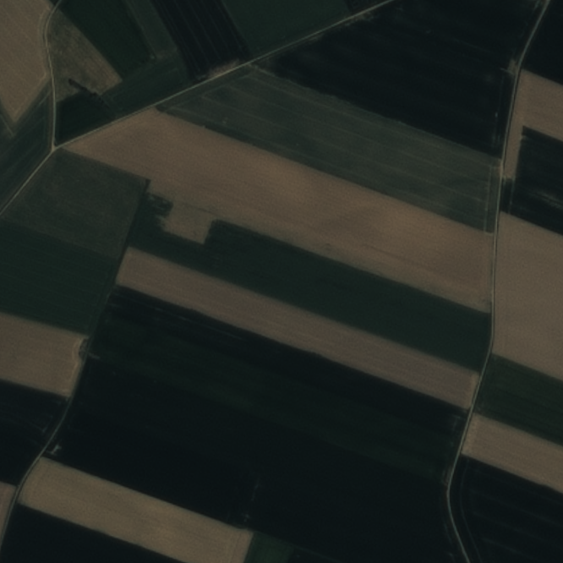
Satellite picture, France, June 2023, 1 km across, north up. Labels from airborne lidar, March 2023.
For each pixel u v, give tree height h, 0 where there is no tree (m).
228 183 0
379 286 0
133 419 0
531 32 0
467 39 0
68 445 0
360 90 0
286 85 0
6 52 0
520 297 0
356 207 0
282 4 0
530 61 0
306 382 0
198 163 0
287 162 0
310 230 0
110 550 0
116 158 0
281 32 0
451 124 0
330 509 0
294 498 0
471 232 0
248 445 0
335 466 0
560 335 0
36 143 0
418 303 0
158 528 0
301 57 0
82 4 0
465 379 0
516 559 0
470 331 0
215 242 0
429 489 0
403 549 0
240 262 0
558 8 0
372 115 0
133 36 0
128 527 0
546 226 0
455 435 0
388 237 0
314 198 0
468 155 0
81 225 0
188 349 0
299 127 0
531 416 0
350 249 0
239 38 0
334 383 0
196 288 0
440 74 0
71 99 0
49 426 0
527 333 0
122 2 0
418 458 0
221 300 0
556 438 0
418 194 0
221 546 0
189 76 0
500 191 0
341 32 0
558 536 0
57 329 0
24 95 0
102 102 6
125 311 0
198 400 0
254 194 0
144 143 0
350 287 0
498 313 0
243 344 0
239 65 0
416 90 0
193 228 0
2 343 0
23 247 0
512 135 0
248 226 0
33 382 0
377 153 0
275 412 0
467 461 0
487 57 0
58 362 0
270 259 0
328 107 0
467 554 0
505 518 0
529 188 0
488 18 0
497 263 0
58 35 0
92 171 0
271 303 0
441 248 0
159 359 0
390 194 0
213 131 0
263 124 0
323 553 0
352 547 0
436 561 0
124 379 0
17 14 0
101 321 0
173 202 0
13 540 0
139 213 0
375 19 0
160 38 0
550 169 0
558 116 0
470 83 0
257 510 0
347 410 0
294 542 0
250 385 0
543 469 0
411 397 0
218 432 0
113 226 0
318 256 0
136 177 0
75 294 0
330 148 0
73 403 0
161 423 0
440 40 0
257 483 0
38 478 0
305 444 0
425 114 0
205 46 0
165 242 0
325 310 0
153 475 0
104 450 0
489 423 0
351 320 0
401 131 0
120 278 0
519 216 0
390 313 0
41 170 0
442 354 0
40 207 0
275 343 0
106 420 0
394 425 0
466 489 0
